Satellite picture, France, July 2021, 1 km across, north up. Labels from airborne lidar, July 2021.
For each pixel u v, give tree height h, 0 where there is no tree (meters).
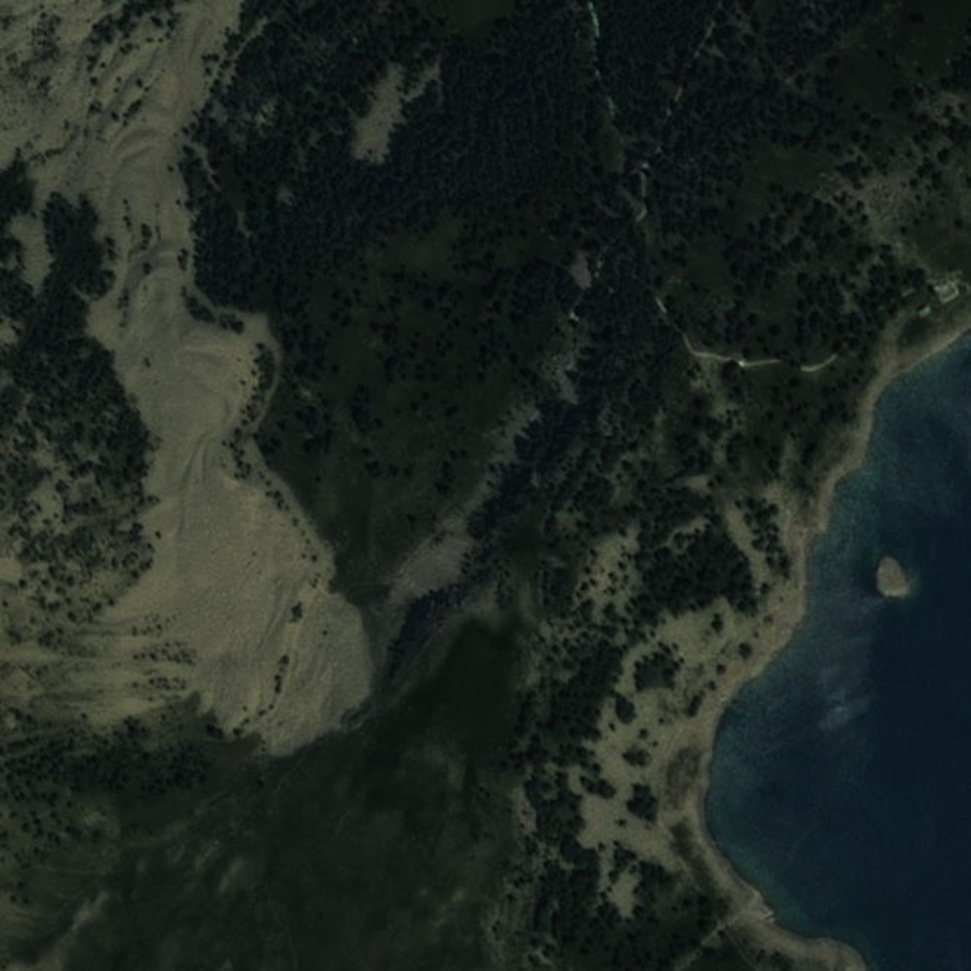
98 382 13
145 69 0
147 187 0
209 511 0
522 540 0
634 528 0
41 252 0
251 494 0
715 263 0
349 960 0
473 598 0
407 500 0
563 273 17
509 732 0
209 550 0
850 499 0
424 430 0
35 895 0
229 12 0
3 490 9
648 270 13
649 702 0
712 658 0
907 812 0
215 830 0
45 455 0
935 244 0
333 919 0
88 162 0
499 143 11
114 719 0
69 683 0
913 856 0
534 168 17
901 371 0
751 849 0
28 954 0
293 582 0
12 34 0
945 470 0
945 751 0
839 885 0
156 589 0
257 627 0
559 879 18
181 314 0
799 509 0
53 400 12
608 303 18
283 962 0
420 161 17
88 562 8
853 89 0
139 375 0
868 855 0
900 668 0
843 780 0
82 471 15
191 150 15
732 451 12
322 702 0
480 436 0
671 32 18
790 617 0
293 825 0
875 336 12
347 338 0
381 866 0
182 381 0
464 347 0
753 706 0
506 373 0
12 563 0
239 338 0
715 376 0
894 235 0
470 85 17
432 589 0
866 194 0
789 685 0
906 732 0
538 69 12
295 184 17
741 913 0
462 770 0
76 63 0
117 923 0
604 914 23
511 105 13
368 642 0
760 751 0
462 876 0
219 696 0
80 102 0
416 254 0
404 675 0
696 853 0
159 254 0
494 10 0
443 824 0
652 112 14
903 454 0
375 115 0
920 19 12
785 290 0
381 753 0
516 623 0
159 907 0
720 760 0
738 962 0
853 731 0
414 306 0
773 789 0
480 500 0
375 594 0
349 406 0
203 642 0
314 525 0
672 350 16
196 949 0
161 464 0
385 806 0
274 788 0
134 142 0
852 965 0
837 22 11
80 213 6
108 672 0
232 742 0
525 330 13
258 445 7
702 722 0
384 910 0
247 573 0
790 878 0
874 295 13
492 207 14
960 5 0
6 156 0
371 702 0
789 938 0
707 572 18
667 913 0
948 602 0
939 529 0
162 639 0
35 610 0
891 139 0
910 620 0
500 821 0
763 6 0
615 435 10
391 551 0
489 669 0
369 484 0
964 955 0
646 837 0
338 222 13
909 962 0
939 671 0
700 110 17
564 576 14
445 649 0
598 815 0
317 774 0
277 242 14
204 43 0
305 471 0
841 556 0
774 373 0
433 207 12
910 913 0
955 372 0
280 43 22
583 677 17
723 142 10
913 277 15
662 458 0
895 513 0
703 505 17
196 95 0
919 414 0
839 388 6
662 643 11
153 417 0
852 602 0
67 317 11
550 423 15
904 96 16
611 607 13
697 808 0
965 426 0
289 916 0
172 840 0
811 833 0
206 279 8
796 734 0
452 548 0
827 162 0
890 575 0
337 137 16
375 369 0
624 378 12
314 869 0
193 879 0
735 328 7
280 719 0
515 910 0
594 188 11
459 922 0
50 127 0
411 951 0
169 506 0
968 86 17
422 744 0
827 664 0
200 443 0
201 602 0
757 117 13
